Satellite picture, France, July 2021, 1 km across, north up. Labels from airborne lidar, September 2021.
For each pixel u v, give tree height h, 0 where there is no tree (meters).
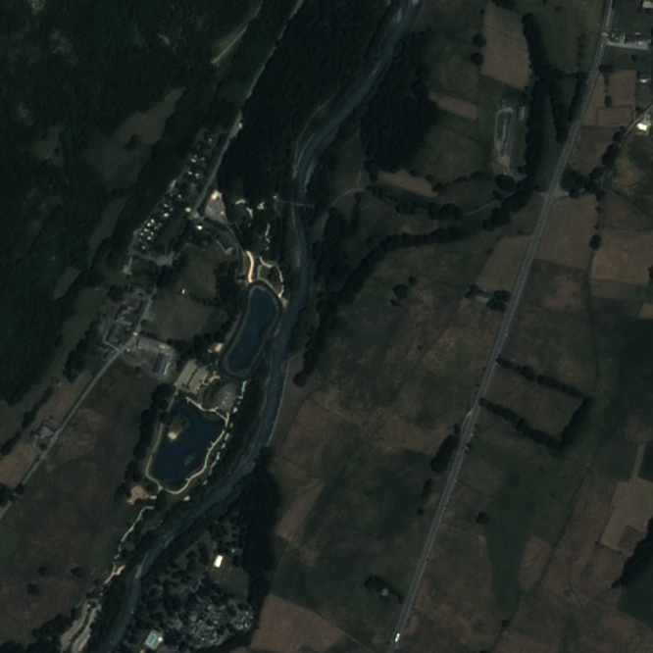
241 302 10
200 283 0
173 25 20
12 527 0
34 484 0
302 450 0
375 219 0
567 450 17
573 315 0
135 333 0
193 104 12
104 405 0
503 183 29
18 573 0
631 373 0
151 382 0
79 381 0
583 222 0
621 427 0
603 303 0
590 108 0
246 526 19
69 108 18
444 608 0
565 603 0
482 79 0
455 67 0
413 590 0
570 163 0
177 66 7
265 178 14
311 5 10
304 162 0
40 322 9
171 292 0
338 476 0
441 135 0
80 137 19
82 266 17
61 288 0
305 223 9
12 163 14
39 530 0
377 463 0
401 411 0
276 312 0
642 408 0
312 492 0
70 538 0
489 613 0
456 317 0
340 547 0
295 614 0
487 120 0
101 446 0
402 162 24
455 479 0
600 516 0
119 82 18
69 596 0
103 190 14
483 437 0
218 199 0
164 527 15
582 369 0
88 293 0
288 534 0
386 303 0
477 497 0
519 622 0
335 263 20
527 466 0
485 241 0
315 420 0
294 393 0
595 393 0
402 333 0
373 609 0
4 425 0
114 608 16
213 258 0
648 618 0
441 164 0
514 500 0
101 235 0
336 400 0
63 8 13
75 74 13
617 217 0
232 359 0
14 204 11
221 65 0
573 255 0
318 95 10
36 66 11
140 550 19
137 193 13
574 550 0
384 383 0
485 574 0
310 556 0
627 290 0
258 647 0
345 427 0
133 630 21
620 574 0
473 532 0
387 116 15
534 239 0
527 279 0
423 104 19
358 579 0
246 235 17
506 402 0
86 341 13
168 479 0
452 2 0
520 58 0
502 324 0
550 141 0
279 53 19
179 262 9
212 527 11
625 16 0
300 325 14
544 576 0
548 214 0
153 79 10
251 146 11
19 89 11
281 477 0
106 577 0
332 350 0
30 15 7
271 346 11
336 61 8
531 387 0
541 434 19
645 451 0
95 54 16
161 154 21
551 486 0
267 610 0
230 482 0
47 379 0
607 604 0
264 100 19
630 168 0
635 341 0
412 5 0
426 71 19
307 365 17
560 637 0
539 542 0
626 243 0
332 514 0
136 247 8
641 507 0
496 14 0
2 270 15
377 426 0
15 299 11
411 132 19
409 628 0
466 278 0
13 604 0
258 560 23
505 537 0
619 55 0
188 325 0
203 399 0
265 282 0
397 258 0
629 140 0
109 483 0
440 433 0
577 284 0
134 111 16
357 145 0
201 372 0
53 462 0
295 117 12
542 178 0
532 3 0
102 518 0
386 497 0
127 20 17
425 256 0
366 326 0
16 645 9
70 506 0
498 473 0
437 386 0
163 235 6
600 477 0
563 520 0
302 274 0
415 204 8
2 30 15
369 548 0
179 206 8
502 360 12
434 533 0
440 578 0
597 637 0
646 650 0
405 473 0
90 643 12
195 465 0
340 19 13
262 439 0
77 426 0
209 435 0
